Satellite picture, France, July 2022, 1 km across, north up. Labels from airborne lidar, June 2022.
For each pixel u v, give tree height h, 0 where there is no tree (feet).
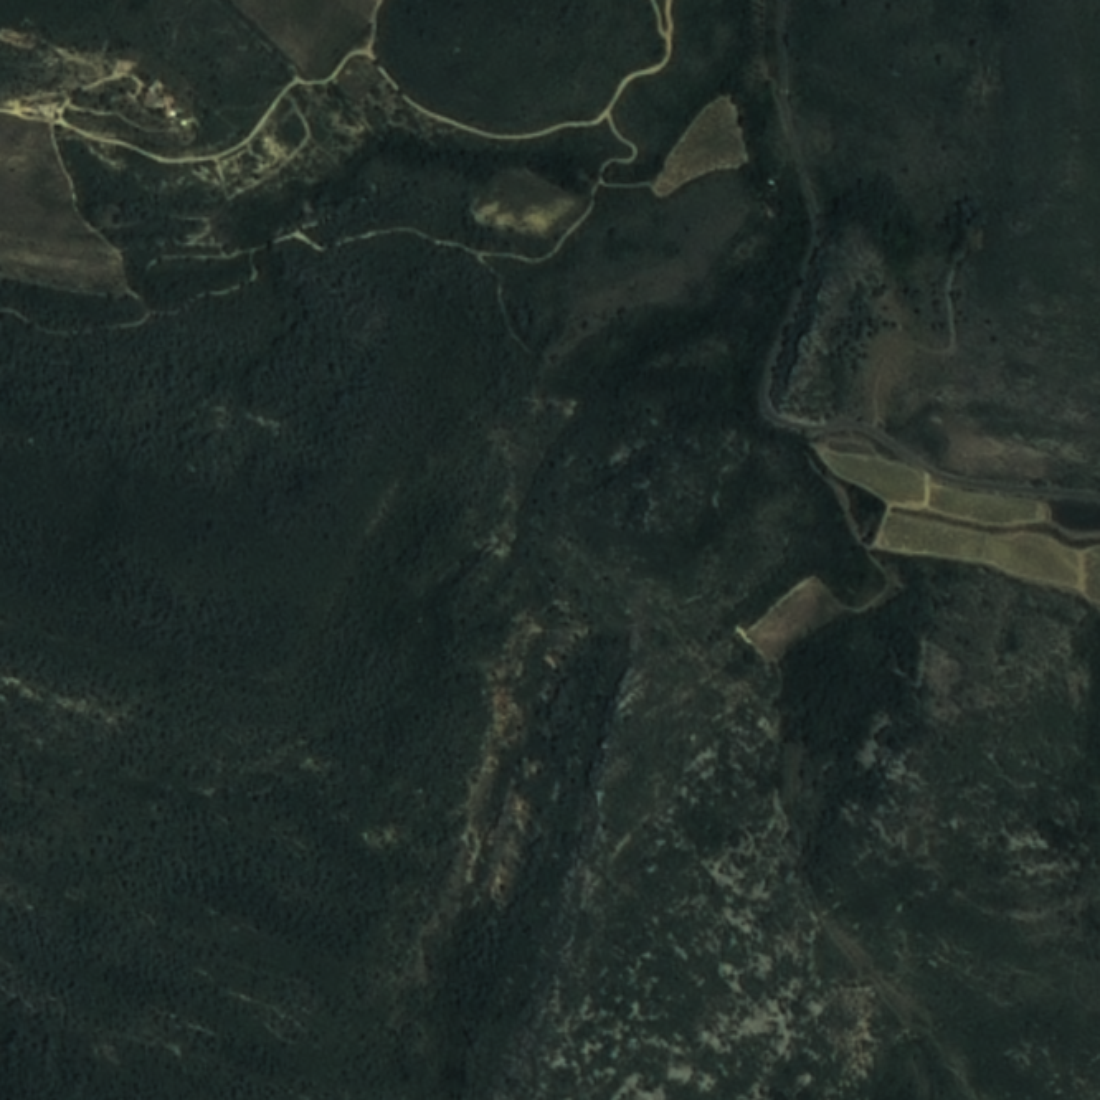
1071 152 0
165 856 21
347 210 39
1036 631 0
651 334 21
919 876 0
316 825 21
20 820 25
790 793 0
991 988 0
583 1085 0
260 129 0
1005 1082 0
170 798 27
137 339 32
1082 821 21
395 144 29
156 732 27
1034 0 0
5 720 18
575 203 0
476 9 0
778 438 30
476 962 35
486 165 25
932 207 0
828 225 26
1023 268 0
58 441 27
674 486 0
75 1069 20
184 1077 20
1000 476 0
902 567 20
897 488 0
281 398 20
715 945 0
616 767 0
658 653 0
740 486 19
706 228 0
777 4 0
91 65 0
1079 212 0
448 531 32
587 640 19
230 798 40
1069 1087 0
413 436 23
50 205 0
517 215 0
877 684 20
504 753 31
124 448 32
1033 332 0
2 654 33
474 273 30
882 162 0
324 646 29
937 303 25
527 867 27
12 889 23
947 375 0
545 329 27
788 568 24
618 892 0
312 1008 17
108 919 25
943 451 0
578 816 0
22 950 28
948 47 0
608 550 0
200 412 23
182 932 21
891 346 0
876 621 20
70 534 19
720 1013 0
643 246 0
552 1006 0
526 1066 0
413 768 23
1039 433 0
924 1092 0
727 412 26
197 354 23
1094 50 0
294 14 0
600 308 0
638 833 0
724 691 0
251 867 34
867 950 0
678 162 0
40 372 35
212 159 0
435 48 0
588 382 27
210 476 28
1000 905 0
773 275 23
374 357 22
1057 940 0
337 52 0
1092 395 0
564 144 30
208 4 0
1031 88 0
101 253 0
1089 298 0
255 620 27
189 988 18
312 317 45
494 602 24
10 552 23
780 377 21
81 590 24
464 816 25
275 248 37
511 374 20
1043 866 0
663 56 37
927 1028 0
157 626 25
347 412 23
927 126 0
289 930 28
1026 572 0
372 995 22
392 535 24
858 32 0
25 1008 37
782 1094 22
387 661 34
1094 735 18
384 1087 20
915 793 0
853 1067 0
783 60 0
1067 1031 0
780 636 0
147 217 37
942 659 0
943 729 0
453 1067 22
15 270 0
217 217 0
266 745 21
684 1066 0
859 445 0
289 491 27
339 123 0
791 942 0
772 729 0
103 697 28
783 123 0
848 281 0
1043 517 0
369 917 23
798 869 18
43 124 0
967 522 0
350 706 27
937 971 0
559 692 33
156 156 0
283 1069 18
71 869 23
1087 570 0
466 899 21
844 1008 0
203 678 30
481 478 27
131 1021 28
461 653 29
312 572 0
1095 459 0
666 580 0
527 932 31
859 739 30
